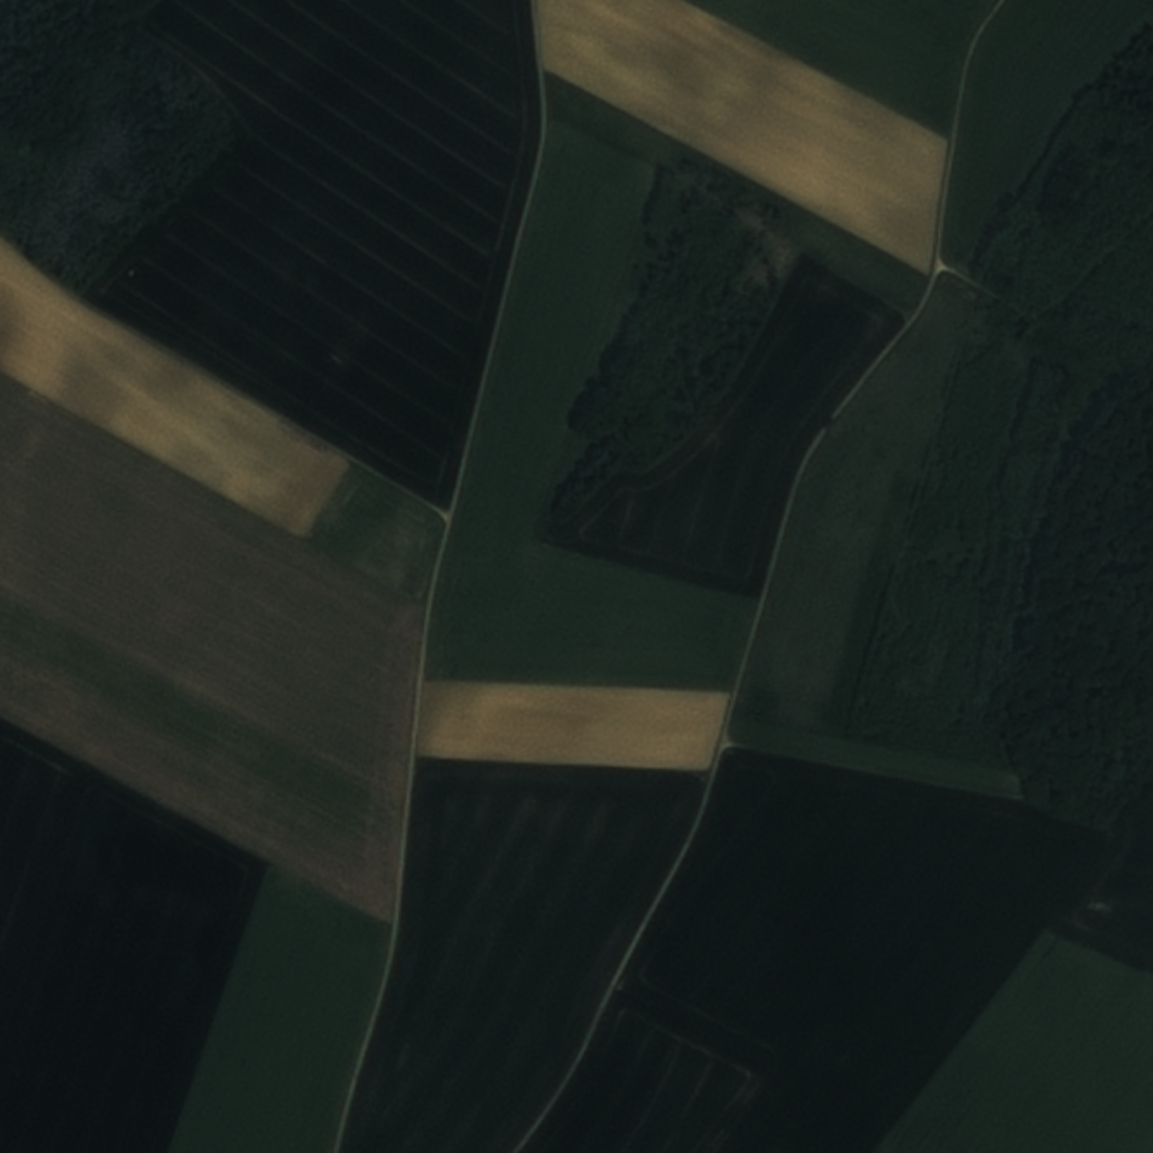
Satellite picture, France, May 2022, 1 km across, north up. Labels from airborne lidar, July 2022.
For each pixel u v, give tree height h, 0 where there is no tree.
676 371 12
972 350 9
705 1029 0
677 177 19
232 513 0
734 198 14
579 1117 0
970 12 0
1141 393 28
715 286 10
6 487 0
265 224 0
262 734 0
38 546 0
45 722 0
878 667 10
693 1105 0
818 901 0
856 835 0
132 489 0
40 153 21
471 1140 0
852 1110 0
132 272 0
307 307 0
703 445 0
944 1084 0
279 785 0
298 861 0
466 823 0
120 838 0
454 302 0
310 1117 0
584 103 0
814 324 0
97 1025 0
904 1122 0
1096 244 23
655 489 0
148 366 0
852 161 0
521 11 0
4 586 0
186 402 0
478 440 0
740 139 0
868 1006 0
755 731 0
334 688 0
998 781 0
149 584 0
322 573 0
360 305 0
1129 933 0
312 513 0
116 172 23
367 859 0
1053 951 0
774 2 0
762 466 0
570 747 0
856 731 8
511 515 0
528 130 0
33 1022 0
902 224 0
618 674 0
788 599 0
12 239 18
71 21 18
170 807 0
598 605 0
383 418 0
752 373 0
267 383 0
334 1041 0
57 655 0
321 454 0
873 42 0
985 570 10
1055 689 28
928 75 0
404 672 0
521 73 0
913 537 8
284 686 0
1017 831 0
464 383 0
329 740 0
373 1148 0
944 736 10
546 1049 0
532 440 0
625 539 0
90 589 0
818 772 0
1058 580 29
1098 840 0
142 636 0
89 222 27
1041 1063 0
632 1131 0
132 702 0
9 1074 0
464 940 0
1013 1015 0
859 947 0
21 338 0
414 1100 0
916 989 0
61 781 0
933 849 0
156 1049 0
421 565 0
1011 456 15
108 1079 0
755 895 0
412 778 0
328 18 0
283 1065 0
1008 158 0
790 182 0
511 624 0
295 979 0
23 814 0
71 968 0
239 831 0
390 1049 0
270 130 0
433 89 0
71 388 0
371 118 0
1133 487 27
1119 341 26
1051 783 21
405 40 0
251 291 0
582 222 0
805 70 0
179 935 0
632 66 0
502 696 0
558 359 0
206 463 0
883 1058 0
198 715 0
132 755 0
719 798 0
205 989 0
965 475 11
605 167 0
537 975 0
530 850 0
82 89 26
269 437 0
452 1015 0
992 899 0
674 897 0
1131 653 30
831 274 0
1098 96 14
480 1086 0
